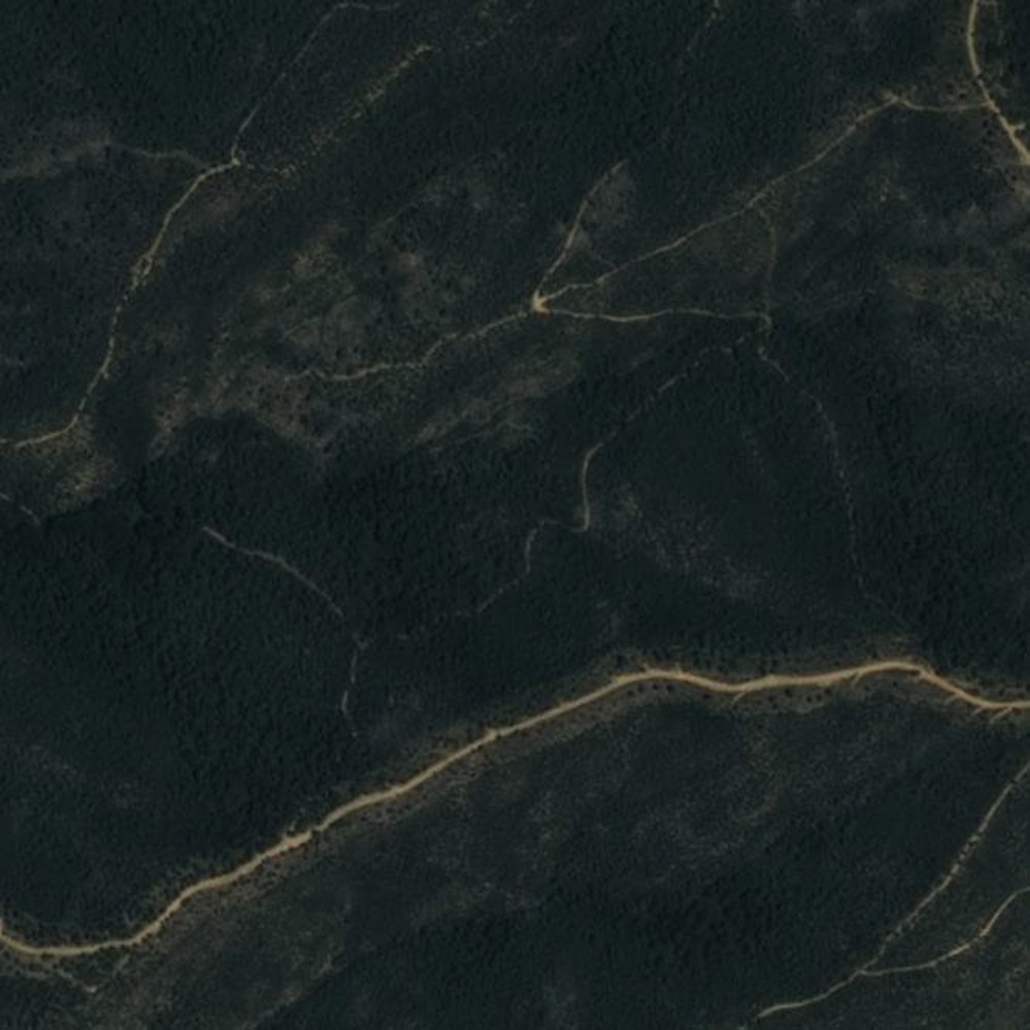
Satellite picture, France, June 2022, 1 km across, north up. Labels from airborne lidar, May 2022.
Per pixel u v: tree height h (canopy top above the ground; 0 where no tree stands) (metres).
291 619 8
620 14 10
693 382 7
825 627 6
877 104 6
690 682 0
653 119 13
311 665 7
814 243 8
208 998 8
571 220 10
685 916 9
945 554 13
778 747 6
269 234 11
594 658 6
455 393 8
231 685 10
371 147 7
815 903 7
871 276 8
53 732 6
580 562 8
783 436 8
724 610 6
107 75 9
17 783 9
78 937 9
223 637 10
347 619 8
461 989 10
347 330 0
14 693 7
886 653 0
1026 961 0
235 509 13
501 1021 7
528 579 7
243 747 10
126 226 7
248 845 10
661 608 6
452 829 6
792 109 8
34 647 7
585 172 9
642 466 5
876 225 7
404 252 8
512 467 11
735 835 7
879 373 12
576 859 7
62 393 8
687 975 11
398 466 13
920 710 6
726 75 9
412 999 7
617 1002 7
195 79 10
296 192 5
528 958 8
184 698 12
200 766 6
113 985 6
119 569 22
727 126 6
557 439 8
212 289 8
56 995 5
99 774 6
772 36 8
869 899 6
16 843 6
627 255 7
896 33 8
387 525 14
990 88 8
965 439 7
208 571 9
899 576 6
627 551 6
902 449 13
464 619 10
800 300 6
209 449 10
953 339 6
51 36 9
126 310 7
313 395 7
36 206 9
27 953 0
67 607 10
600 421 6
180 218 8
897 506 12
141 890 7
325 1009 8
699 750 6
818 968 6
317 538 11
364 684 7
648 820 6
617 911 7
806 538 6
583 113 8
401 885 9
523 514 8
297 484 7
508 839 7
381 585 11
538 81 10
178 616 8
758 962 6
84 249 7
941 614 20
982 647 8
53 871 7
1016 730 10
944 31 6
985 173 6
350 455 9
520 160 6
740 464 5
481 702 7
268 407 9
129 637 13
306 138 6
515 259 7
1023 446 8
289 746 12
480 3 6
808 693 0
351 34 7
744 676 0
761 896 12
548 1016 9
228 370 0
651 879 7
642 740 6
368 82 6
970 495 7
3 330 9
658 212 6
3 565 17
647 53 12
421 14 9
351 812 0
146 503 26
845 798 9
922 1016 6
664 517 6
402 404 7
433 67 9
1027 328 0
